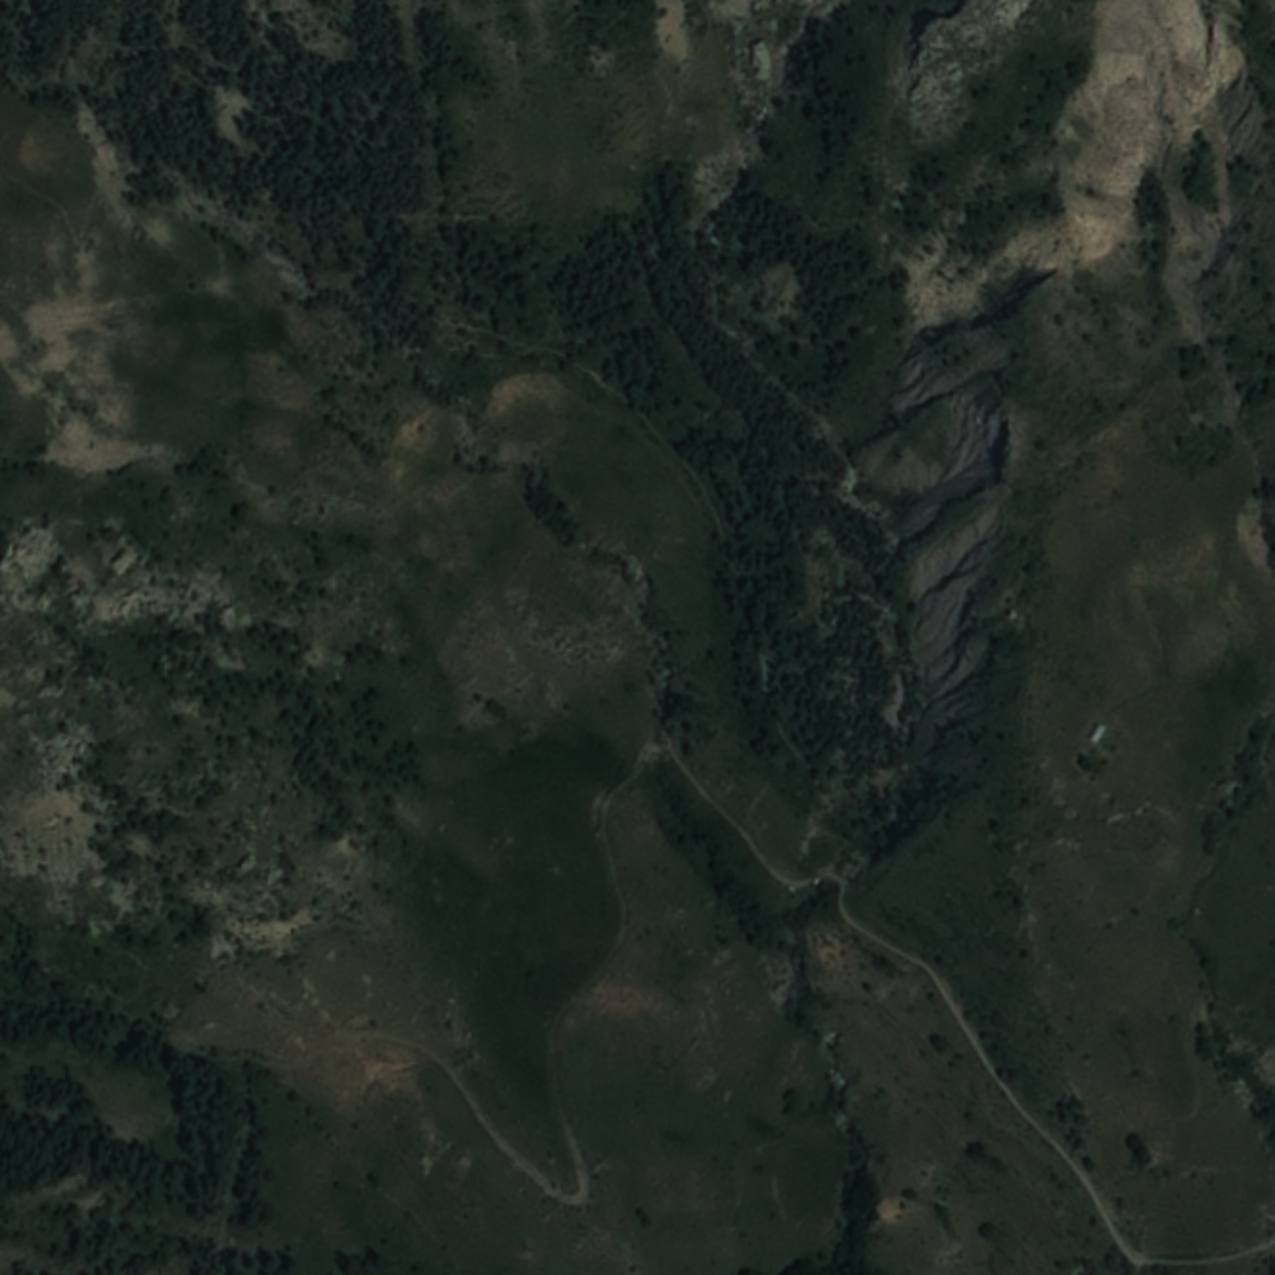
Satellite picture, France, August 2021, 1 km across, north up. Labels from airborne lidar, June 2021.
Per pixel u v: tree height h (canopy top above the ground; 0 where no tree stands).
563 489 0
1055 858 0
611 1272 0
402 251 24
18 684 0
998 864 0
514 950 0
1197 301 0
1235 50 0
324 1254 0
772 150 19
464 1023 0
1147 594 0
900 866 0
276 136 14
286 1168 0
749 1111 0
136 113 18
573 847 0
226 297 0
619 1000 0
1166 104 0
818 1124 0
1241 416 0
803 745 9
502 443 0
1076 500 0
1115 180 0
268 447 0
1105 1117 0
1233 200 0
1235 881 0
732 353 28
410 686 0
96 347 0
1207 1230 0
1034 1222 0
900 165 0
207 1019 0
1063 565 0
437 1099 0
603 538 0
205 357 0
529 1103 0
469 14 0
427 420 0
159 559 8
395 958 0
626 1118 0
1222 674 0
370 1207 0
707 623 0
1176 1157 0
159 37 17
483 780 0
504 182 0
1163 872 0
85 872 0
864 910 0
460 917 0
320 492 0
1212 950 0
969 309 0
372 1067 0
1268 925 0
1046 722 0
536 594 0
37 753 0
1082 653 0
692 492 0
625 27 7
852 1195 17
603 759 0
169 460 0
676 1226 0
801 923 6
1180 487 0
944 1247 0
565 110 0
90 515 0
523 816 0
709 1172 0
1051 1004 0
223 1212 32
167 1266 11
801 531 14
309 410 0
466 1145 0
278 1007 0
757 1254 0
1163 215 13
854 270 16
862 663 15
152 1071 16
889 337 0
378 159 26
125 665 0
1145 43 0
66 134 0
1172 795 0
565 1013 0
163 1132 0
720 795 0
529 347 0
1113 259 0
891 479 0
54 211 0
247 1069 8
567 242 0
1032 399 0
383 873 0
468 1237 0
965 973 0
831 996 0
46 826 0
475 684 0
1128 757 0
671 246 26
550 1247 0
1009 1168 0
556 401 0
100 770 9
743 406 21
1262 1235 0
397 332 8
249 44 26
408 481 0
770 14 0
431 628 0
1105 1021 0
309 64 24
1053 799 0
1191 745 0
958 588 0
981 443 0
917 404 0
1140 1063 0
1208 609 0
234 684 9
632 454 0
